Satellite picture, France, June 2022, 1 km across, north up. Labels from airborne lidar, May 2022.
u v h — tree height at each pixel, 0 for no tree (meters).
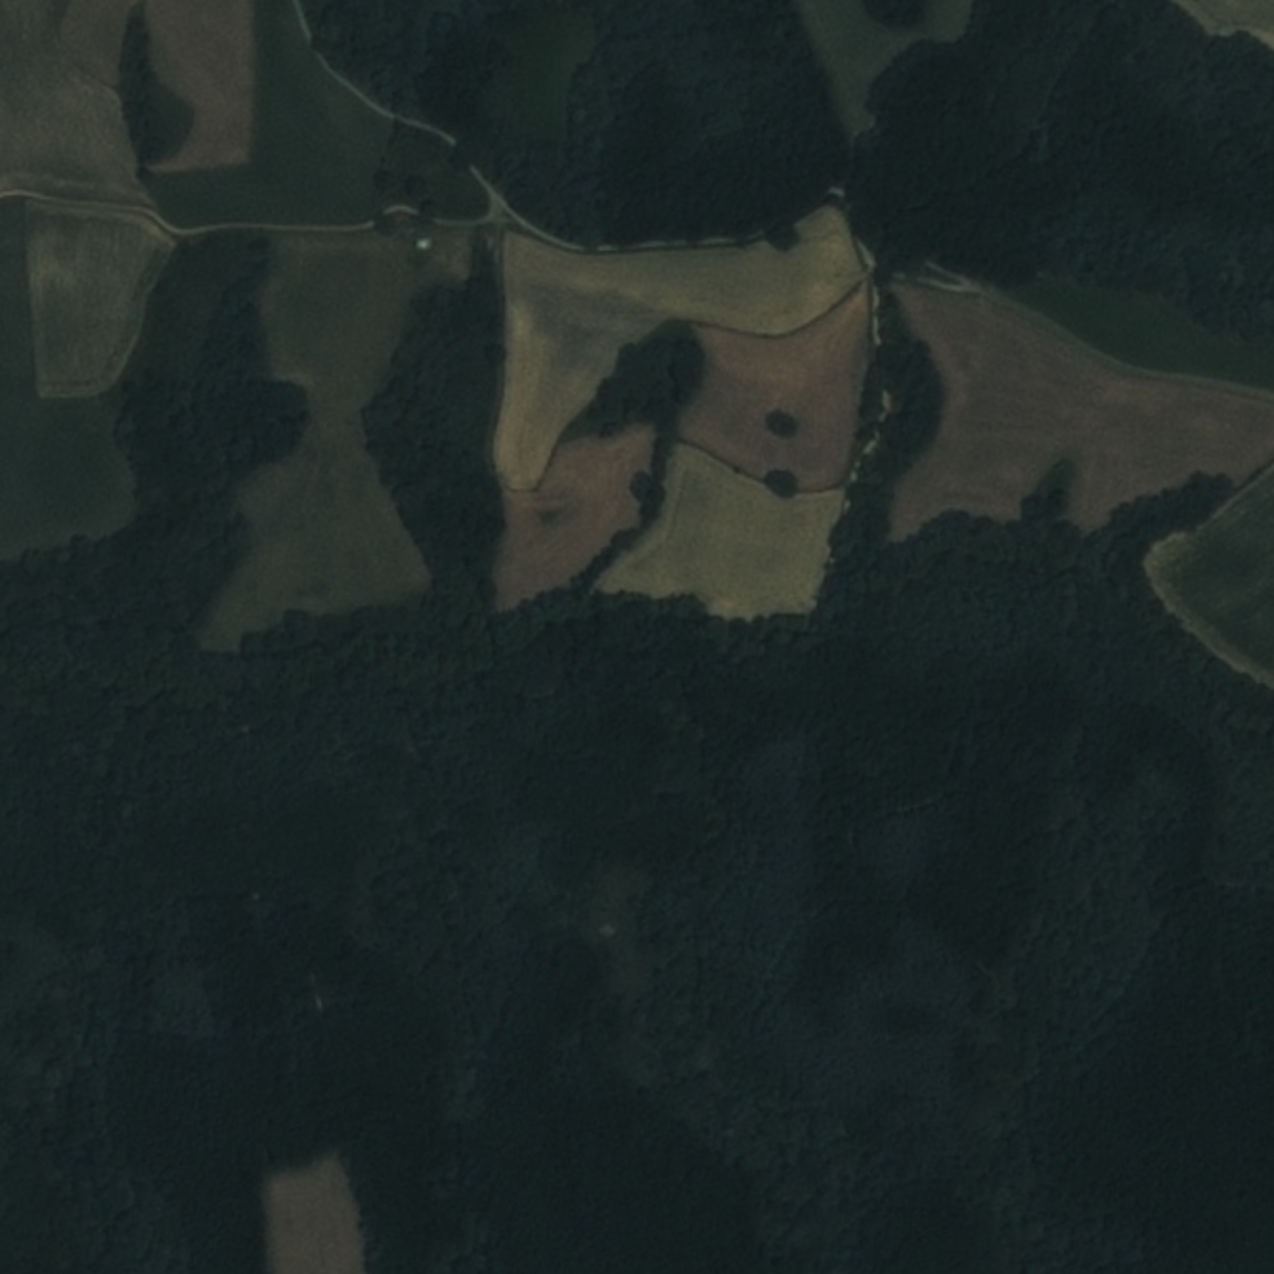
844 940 17
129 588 9
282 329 0
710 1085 21
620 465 0
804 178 19
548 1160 16
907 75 13
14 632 16
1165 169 17
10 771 22
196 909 21
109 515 0
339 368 0
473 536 17
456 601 20
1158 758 10
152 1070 22
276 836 16
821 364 0
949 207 18
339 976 10
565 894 6
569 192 8
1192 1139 18
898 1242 17
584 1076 10
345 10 15
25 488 0
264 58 0
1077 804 18
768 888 12
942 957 12
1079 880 27
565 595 22
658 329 0
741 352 0
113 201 0
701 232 17
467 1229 26
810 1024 13
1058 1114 22
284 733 20
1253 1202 22
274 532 0
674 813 22
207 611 11
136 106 8
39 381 0
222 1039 9
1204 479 9
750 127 12
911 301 0
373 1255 13
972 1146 13
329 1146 14
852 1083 12
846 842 13
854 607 25
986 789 18
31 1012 5
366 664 20
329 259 0
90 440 0
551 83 0
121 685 27
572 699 26
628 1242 20
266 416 18
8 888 10
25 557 8
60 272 0
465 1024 10
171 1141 21
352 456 0
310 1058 12
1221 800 8
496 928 6
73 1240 19
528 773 16
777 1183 11
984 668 17
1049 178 18
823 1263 13
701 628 25
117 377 0
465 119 16
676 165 16
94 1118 22
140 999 15
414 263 0
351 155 0
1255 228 14
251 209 0
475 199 0
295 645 15
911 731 20
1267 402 0
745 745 16
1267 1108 18
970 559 19
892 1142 12
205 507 16
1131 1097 20
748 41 17
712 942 12
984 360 0
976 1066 12
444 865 11
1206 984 15
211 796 15
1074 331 0
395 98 14
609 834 14
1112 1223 16
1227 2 0
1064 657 20
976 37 13
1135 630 20
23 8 0
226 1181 20
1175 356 0
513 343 0
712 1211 17
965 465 0
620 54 23
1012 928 18
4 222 0
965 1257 20
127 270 0
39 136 0
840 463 0
